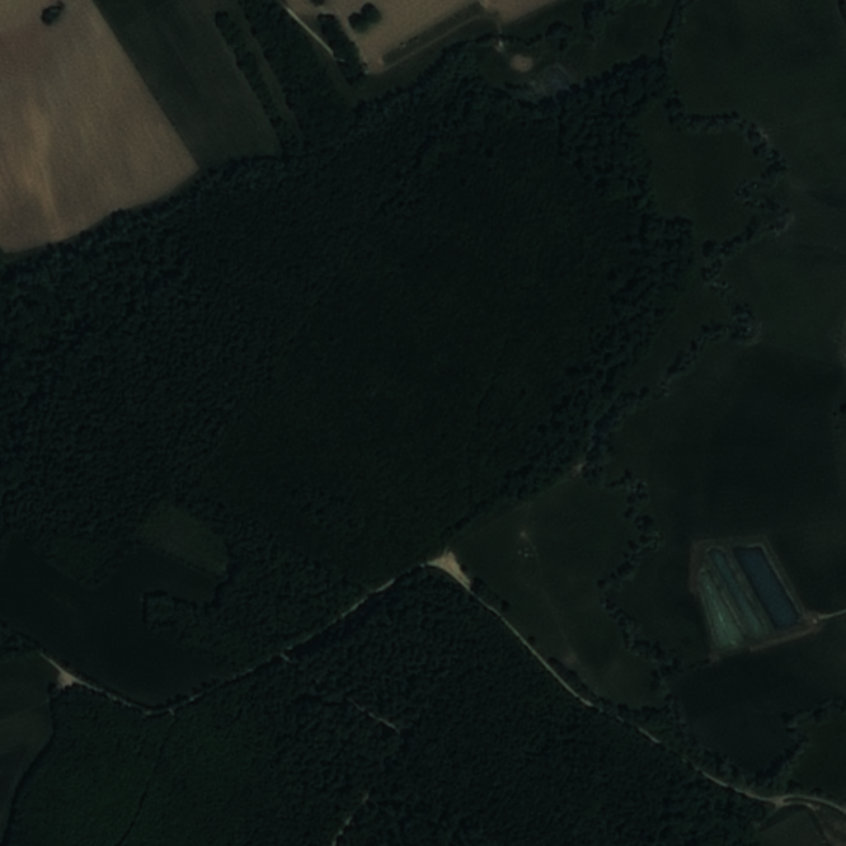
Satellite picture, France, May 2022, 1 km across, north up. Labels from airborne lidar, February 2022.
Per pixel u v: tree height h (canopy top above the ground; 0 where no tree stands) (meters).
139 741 11
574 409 21
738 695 0
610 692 0
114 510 19
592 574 0
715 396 0
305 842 13
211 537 0
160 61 0
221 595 15
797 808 0
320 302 12
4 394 24
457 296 9
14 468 25
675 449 0
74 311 27
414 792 21
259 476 12
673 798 21
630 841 19
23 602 0
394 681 12
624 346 24
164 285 25
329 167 18
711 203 0
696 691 0
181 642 12
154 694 0
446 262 11
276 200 15
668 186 0
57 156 0
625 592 0
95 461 22
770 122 0
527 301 9
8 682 0
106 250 24
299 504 12
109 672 0
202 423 20
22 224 0
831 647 0
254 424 10
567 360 7
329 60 0
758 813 20
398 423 10
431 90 19
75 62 0
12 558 0
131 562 0
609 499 0
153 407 20
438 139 26
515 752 16
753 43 0
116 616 0
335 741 26
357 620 12
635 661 0
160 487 19
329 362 10
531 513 0
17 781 0
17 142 0
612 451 24
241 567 21
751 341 9
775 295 0
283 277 19
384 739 22
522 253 8
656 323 17
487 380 8
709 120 9
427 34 0
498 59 0
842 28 0
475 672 17
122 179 0
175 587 0
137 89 0
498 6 0
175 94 0
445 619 23
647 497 15
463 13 0
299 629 22
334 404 10
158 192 0
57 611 0
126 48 0
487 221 9
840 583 0
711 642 0
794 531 0
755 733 0
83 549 12
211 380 19
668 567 0
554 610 0
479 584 16
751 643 0
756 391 0
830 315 0
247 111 0
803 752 7
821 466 0
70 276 25
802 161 0
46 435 23
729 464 0
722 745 0
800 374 0
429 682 22
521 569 0
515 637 10
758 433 0
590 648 0
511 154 8
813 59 0
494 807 14
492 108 25
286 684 24
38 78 0
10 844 14
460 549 0
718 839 25
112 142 0
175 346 22
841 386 0
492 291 11
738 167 0
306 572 23
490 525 0
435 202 8
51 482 24
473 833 22
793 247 0
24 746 0
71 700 12
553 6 0
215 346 21
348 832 13
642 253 21
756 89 0
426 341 10
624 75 19
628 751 15
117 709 10
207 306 20
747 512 0
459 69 22
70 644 0
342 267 8
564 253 8
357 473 10
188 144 0
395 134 17
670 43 14
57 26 0
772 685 0
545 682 14
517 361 10
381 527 10
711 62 0
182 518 0
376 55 0
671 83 20
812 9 0
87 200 0
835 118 0
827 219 0
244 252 16
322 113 21
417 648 25
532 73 0
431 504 11
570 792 16
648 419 0
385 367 9
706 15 0
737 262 0
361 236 10
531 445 9
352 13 0
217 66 0
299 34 19
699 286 0
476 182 9
